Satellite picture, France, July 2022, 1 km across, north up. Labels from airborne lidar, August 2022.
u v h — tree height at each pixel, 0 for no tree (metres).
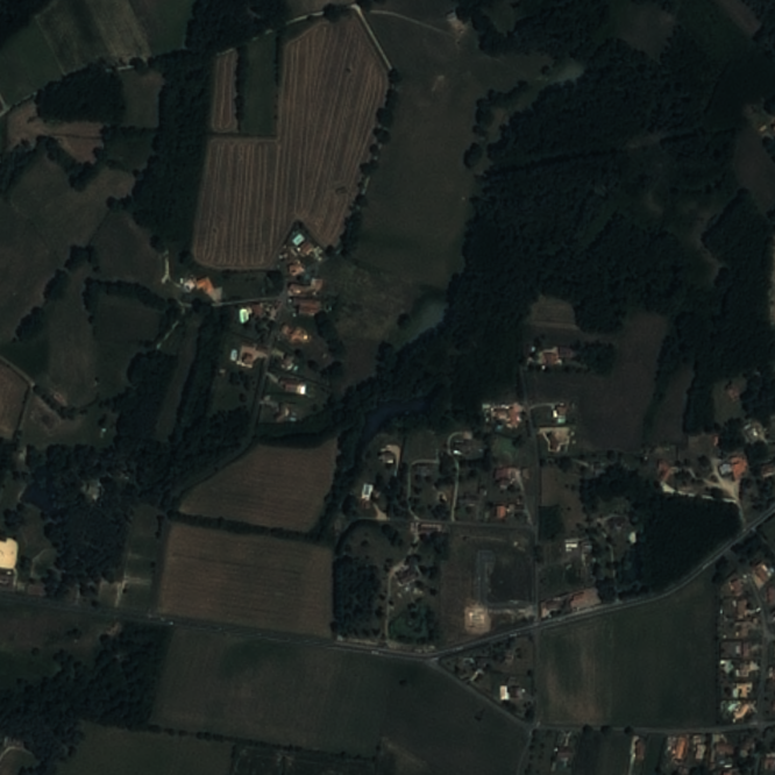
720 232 19
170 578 0
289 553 0
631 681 0
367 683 0
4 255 0
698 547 18
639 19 0
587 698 0
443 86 0
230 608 0
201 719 0
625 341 0
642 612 0
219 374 6
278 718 0
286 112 0
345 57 0
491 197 7
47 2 12
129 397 11
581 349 18
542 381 0
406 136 0
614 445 0
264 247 0
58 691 14
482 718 0
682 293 22
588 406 0
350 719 0
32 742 20
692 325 20
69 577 18
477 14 20
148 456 19
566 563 0
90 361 0
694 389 13
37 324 21
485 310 19
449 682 0
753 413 16
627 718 0
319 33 0
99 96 20
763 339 15
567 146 21
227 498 0
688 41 10
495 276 18
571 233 19
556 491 0
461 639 0
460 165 0
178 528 0
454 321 23
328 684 0
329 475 0
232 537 0
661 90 6
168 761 0
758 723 0
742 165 0
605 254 21
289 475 0
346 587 15
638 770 0
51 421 0
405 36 0
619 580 7
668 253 22
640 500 18
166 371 15
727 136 10
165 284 0
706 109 10
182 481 8
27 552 0
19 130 0
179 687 0
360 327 0
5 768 0
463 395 6
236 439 17
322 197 0
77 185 20
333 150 0
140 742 0
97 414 0
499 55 12
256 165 0
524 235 11
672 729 0
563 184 19
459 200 0
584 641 0
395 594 0
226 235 0
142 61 13
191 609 0
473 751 0
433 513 10
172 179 7
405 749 0
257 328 9
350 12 16
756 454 17
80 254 23
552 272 11
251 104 0
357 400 19
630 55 14
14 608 0
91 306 18
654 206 0
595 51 15
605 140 16
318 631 0
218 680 0
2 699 13
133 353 0
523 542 0
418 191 0
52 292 18
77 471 20
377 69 0
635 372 0
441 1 0
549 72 13
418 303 0
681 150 9
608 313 21
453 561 0
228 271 8
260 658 0
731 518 17
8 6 22
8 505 0
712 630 0
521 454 0
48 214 0
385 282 0
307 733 0
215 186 0
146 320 0
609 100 19
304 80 0
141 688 14
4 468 12
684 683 0
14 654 0
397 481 16
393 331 0
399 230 0
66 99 18
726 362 15
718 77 8
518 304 25
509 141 22
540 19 11
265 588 0
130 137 7
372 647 0
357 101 0
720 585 8
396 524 0
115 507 22
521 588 0
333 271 0
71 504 17
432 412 25
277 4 19
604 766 0
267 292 5
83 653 0
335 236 0
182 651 0
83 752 0
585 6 17
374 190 0
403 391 17
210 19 24
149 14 0
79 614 0
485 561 0
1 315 0
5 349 0
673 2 23
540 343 18
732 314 17
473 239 18
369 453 13
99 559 21
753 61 7
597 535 16
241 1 23
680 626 0
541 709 0
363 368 0
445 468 11
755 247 14
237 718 0
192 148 9
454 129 0
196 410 6
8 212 0
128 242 0
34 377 0
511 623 0
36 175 0
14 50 0
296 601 0
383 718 0
